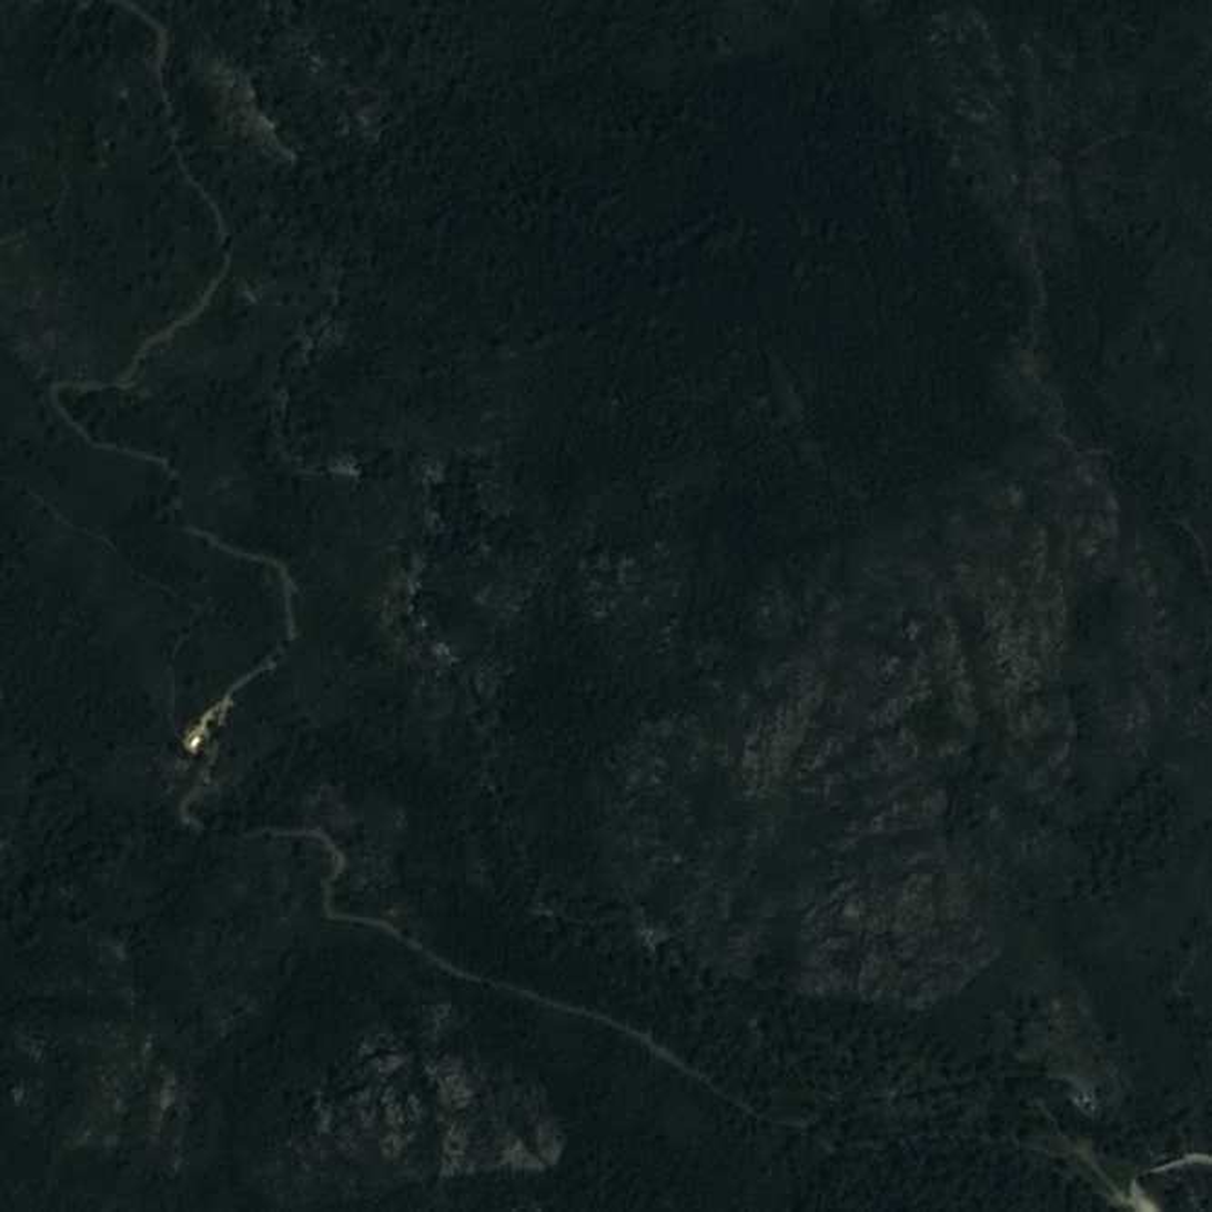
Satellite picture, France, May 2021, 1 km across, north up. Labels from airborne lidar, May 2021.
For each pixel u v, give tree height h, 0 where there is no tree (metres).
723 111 11
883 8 10
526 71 10
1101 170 0
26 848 12
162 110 17
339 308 12
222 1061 10
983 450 9
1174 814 14
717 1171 8
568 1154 13
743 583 9
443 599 8
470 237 14
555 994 11
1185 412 7
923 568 0
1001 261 8
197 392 10
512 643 7
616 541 6
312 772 11
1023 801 9
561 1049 6
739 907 7
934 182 11
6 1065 5
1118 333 8
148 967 8
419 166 14
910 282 10
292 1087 6
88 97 7
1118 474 11
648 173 6
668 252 13
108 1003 6
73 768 22
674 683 7
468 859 12
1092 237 9
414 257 7
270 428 9
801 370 7
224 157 18
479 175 10
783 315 10
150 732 6
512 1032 11
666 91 9
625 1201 12
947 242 9
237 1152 8
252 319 22
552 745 10
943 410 9
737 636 10
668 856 6
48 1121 9
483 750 14
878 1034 20
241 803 11
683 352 9
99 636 10
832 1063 14
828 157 13
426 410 8
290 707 6
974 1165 22
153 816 8
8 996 9
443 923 8
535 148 12
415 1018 7
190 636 16
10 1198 12
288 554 8
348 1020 7
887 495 8
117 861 18
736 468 13
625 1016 16
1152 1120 9
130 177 7
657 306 11
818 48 7
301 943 13
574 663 7
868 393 11
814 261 10
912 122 8
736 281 7
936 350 8
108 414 22
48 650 11
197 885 13
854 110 10
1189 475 7
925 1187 25
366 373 6
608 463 8
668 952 15
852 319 8
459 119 7
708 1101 13
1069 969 10
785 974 14
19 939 8
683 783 7
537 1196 8
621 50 8
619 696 15
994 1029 8
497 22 10
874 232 11
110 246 20
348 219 17
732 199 9
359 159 15
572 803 10
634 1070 6
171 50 8
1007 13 9
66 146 5
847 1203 23
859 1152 20
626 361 7
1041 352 6
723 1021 18
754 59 9
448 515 20
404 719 10
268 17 11
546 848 11
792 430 9
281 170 16
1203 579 7
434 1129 7
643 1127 12
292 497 7
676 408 9
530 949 10
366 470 20
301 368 16
